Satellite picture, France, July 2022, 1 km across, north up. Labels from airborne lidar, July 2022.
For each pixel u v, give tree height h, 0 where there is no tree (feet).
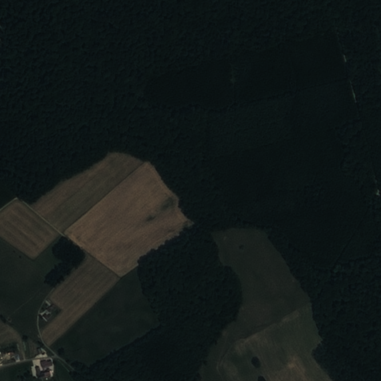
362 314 80
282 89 24
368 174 70
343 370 88
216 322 78
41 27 70
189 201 73
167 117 70
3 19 55
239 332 0
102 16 96
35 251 0
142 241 0
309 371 0
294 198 52
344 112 51
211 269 78
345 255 46
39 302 0
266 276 0
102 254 0
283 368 0
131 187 0
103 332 0
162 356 70
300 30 89
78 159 90
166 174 71
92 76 81
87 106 65
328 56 27
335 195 46
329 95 53
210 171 60
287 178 35
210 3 66
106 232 0
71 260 72
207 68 31
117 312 0
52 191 0
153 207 0
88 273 0
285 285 0
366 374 69
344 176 34
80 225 0
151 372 63
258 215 50
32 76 65
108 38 88
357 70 80
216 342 66
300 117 50
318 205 73
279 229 41
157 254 65
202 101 33
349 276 85
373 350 85
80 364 31
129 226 0
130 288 0
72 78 77
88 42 70
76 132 81
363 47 73
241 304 58
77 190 0
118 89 93
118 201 0
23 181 83
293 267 73
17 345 0
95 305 0
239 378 0
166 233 0
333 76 27
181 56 70
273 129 62
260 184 41
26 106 93
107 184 0
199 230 87
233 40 73
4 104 70
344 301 81
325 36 26
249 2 81
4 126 69
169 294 65
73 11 76
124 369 62
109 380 63
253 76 23
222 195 85
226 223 81
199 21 54
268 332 0
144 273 69
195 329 62
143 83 70
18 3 70
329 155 36
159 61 83
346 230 42
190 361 55
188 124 92
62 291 0
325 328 84
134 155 37
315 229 50
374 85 87
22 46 72
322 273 82
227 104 32
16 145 76
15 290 0
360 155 79
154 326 0
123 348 28
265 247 0
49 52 84
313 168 32
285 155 34
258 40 65
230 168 40
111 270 0
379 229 62
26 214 0
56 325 0
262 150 36
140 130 89
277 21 73
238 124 66
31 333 0
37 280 0
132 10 68
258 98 23
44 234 0
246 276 0
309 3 64
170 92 36
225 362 0
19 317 0
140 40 92
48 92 87
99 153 78
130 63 87
